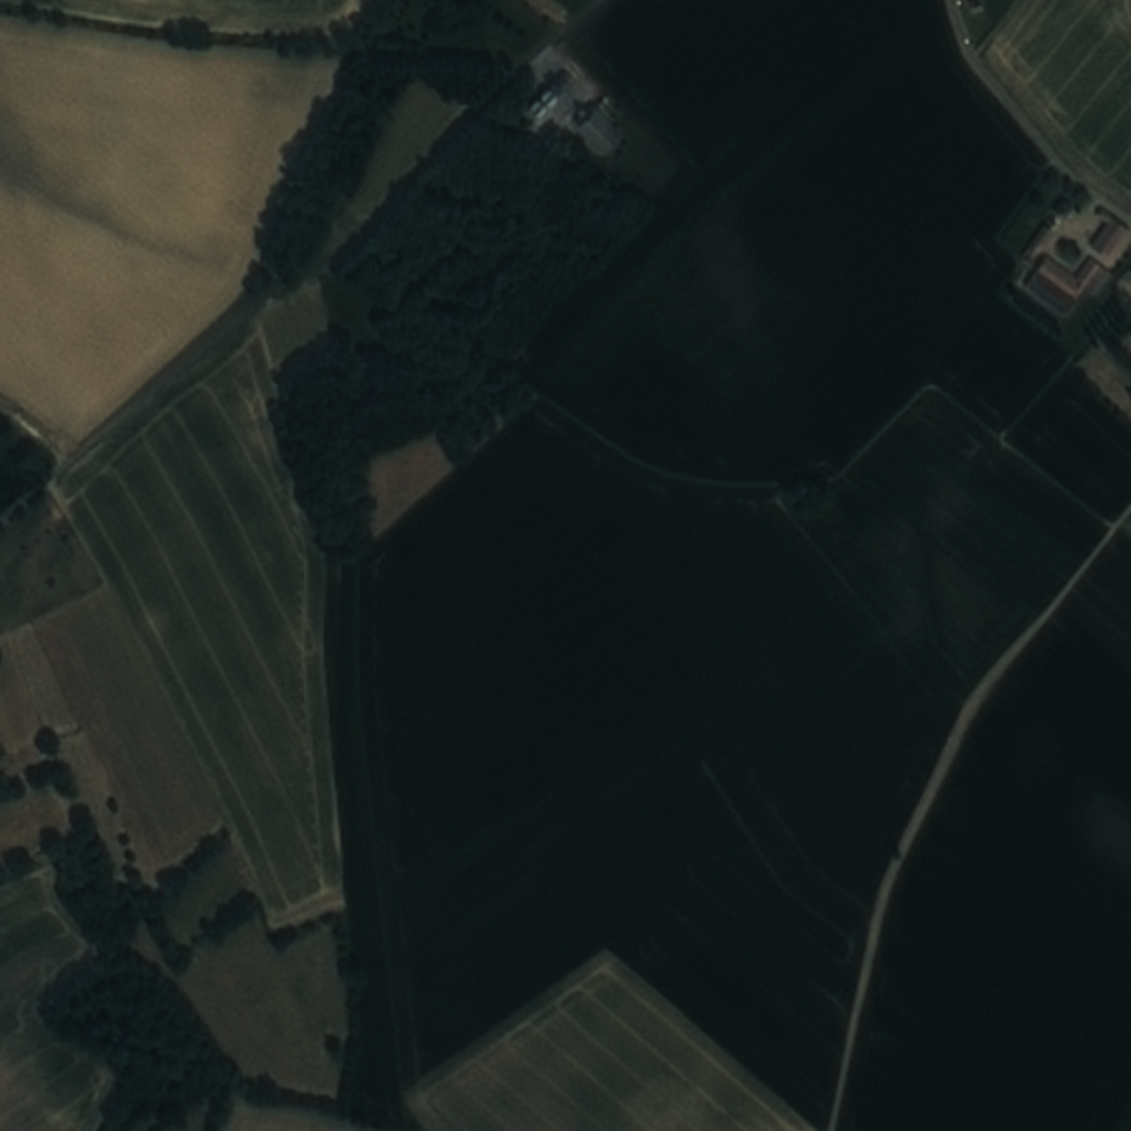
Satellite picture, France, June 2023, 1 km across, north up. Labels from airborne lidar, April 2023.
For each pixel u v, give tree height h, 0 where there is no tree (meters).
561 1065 0
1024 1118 0
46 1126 0
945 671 0
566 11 0
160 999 20
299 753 0
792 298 0
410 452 0
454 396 21
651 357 0
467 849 0
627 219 20
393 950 0
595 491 0
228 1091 17
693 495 0
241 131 0
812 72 0
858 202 0
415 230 26
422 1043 0
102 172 0
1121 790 0
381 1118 0
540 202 24
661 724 0
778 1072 0
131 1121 14
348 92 23
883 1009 0
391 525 0
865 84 0
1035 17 0
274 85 0
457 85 17
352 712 0
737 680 0
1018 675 0
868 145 0
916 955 0
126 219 0
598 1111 0
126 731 0
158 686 0
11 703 0
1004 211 0
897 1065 0
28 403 0
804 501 22
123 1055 20
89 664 0
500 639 0
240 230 0
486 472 0
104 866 22
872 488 0
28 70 0
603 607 0
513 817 0
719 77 0
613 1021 0
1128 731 0
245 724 0
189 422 0
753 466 0
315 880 0
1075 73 0
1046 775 0
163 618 0
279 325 0
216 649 0
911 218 0
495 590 0
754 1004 0
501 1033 0
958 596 0
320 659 0
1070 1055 0
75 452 0
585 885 0
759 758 0
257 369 0
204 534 0
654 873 0
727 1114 0
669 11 0
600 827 0
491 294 27
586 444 0
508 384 22
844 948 0
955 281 0
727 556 0
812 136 0
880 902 0
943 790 0
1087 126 0
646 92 0
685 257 0
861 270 0
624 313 0
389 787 0
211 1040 13
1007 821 0
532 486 0
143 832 0
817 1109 0
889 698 0
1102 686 0
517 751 0
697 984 0
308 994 0
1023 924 0
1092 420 0
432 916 0
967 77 0
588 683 0
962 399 0
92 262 0
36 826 0
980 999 0
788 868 0
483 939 0
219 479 0
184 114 0
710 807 0
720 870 0
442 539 0
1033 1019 0
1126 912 0
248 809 0
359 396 37
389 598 0
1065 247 12
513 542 0
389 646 0
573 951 0
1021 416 0
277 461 0
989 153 0
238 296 0
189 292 0
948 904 0
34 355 0
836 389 0
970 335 0
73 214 0
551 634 0
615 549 0
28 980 0
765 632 0
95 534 0
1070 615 0
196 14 0
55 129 0
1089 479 0
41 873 0
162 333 0
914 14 0
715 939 0
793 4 0
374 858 0
